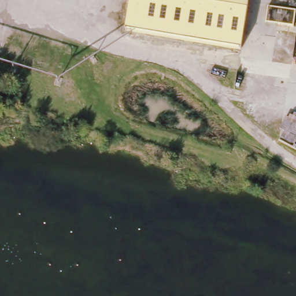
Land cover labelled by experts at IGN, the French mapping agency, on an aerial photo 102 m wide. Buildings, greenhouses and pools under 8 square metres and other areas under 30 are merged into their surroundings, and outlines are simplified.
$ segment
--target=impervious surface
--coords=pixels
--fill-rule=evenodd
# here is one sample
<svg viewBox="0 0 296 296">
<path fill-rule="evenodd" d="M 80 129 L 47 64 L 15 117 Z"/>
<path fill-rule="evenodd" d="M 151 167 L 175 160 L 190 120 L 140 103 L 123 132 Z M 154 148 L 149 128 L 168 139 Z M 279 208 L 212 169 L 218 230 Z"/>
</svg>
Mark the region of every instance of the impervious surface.
<svg viewBox="0 0 296 296">
<path fill-rule="evenodd" d="M 205 94 L 216 99 L 221 108 L 245 132 L 268 148 L 271 153 L 280 156 L 284 163 L 296 169 L 296 156 L 277 145 L 276 141 L 262 129 L 254 126 L 236 109 L 236 105 L 243 102 L 247 113 L 253 114 L 256 120 L 272 123 L 282 141 L 296 147 L 296 0 L 249 0 L 242 42 L 238 49 L 232 49 L 128 31 L 124 24 L 128 0 L 0 0 L 0 55 L 2 46 L 5 46 L 8 37 L 13 34 L 13 29 L 10 28 L 17 25 L 38 34 L 71 40 L 102 52 L 121 55 L 128 59 L 156 62 L 158 65 L 177 69 L 197 84 Z"/>
</svg>

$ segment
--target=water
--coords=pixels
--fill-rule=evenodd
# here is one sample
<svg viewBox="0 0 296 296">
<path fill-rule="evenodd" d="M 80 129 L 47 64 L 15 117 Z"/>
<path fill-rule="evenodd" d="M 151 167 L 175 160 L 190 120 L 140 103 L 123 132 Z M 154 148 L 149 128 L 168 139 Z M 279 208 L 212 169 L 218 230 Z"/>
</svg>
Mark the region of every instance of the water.
<svg viewBox="0 0 296 296">
<path fill-rule="evenodd" d="M 154 164 L 147 165 L 139 156 L 126 154 L 120 150 L 112 153 L 108 151 L 99 151 L 91 143 L 86 143 L 82 147 L 69 145 L 55 151 L 40 151 L 30 148 L 27 142 L 20 138 L 14 141 L 10 146 L 0 145 L 0 296 L 296 296 L 296 212 L 254 197 L 245 191 L 232 194 L 222 192 L 219 188 L 210 190 L 208 186 L 193 185 L 178 188 L 173 183 L 169 170 Z"/>
<path fill-rule="evenodd" d="M 154 121 L 161 112 L 168 111 L 171 116 L 177 116 L 179 128 L 193 131 L 200 126 L 200 121 L 184 118 L 166 102 L 165 98 L 147 97 L 145 103 L 149 109 L 150 121 Z"/>
</svg>

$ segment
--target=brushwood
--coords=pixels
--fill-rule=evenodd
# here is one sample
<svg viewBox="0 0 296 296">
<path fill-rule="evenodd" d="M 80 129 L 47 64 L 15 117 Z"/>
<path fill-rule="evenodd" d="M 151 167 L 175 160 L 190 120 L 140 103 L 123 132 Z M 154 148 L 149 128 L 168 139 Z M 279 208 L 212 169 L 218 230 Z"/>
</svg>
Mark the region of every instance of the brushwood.
<svg viewBox="0 0 296 296">
<path fill-rule="evenodd" d="M 21 89 L 14 94 L 0 91 L 0 103 L 7 109 L 12 109 L 16 102 L 21 101 Z"/>
<path fill-rule="evenodd" d="M 219 188 L 222 192 L 232 194 L 245 191 L 254 197 L 296 212 L 296 177 L 264 158 L 253 160 L 246 157 L 243 166 L 224 169 L 215 164 L 206 165 L 193 153 L 184 153 L 182 150 L 177 155 L 171 150 L 136 140 L 133 136 L 114 134 L 113 143 L 108 151 L 112 153 L 120 150 L 126 154 L 139 156 L 147 165 L 154 164 L 169 170 L 173 183 L 178 188 L 193 185 L 208 186 L 210 190 Z"/>
<path fill-rule="evenodd" d="M 40 151 L 55 151 L 69 145 L 61 138 L 60 131 L 62 127 L 71 125 L 72 121 L 65 117 L 57 118 L 50 112 L 44 116 L 45 124 L 39 124 L 29 129 L 29 132 L 25 131 L 23 126 L 15 128 L 15 133 L 10 134 L 14 141 L 20 138 L 27 142 L 30 148 Z"/>
<path fill-rule="evenodd" d="M 118 108 L 133 114 L 133 123 L 176 134 L 177 140 L 183 143 L 187 136 L 194 135 L 199 143 L 208 147 L 222 150 L 234 148 L 234 133 L 225 134 L 213 121 L 206 118 L 205 114 L 197 111 L 200 108 L 199 97 L 195 97 L 192 92 L 168 77 L 162 79 L 155 73 L 136 76 L 135 73 L 131 73 L 120 82 L 125 91 L 123 102 L 118 102 Z M 193 131 L 179 128 L 177 116 L 171 116 L 168 111 L 161 112 L 154 121 L 150 121 L 149 109 L 145 103 L 147 97 L 165 98 L 166 102 L 184 118 L 200 121 L 200 126 Z"/>
</svg>

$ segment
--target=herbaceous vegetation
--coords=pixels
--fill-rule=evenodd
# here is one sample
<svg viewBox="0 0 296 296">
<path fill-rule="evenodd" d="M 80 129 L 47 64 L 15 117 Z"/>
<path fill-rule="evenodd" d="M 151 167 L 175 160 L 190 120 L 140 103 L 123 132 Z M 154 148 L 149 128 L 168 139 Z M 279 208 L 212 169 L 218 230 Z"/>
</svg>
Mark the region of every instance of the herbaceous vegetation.
<svg viewBox="0 0 296 296">
<path fill-rule="evenodd" d="M 246 157 L 253 160 L 264 158 L 296 177 L 296 169 L 284 163 L 280 156 L 271 153 L 268 148 L 245 132 L 221 108 L 216 99 L 205 94 L 197 84 L 177 69 L 158 65 L 156 62 L 128 59 L 121 55 L 102 52 L 71 40 L 38 34 L 17 25 L 10 28 L 13 29 L 13 34 L 8 37 L 5 46 L 2 46 L 0 55 L 0 73 L 15 75 L 20 81 L 21 89 L 21 101 L 30 110 L 44 116 L 50 112 L 57 118 L 65 117 L 72 121 L 81 119 L 88 125 L 104 127 L 104 132 L 108 129 L 114 134 L 133 136 L 136 140 L 171 150 L 177 155 L 182 150 L 184 153 L 193 153 L 206 165 L 215 164 L 224 169 L 243 166 Z M 183 143 L 177 140 L 176 134 L 133 123 L 133 114 L 118 108 L 118 102 L 123 102 L 125 91 L 120 82 L 131 73 L 135 73 L 136 76 L 155 73 L 162 79 L 168 77 L 192 92 L 195 97 L 199 97 L 200 108 L 197 111 L 205 114 L 206 118 L 213 121 L 225 134 L 234 133 L 234 148 L 222 150 L 208 147 L 199 143 L 194 135 L 187 136 Z"/>
<path fill-rule="evenodd" d="M 256 120 L 253 114 L 247 113 L 243 102 L 236 105 L 236 109 L 254 126 L 262 129 L 276 141 L 277 145 L 296 156 L 296 147 L 282 141 L 272 123 Z"/>
</svg>

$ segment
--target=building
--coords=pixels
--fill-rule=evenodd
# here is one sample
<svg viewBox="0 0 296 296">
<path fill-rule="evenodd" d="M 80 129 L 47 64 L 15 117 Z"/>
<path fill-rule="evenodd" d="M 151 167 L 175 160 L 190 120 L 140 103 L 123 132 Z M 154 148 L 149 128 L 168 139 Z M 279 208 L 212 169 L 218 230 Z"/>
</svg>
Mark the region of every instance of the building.
<svg viewBox="0 0 296 296">
<path fill-rule="evenodd" d="M 242 42 L 249 0 L 128 0 L 124 24 L 128 31 L 232 49 L 238 49 Z"/>
</svg>

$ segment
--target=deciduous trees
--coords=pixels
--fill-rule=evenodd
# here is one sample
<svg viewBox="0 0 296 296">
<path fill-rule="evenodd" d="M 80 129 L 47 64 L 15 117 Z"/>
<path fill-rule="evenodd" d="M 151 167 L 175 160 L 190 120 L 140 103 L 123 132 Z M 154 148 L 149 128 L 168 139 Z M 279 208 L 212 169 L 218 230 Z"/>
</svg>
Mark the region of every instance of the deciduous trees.
<svg viewBox="0 0 296 296">
<path fill-rule="evenodd" d="M 15 75 L 0 73 L 0 91 L 14 94 L 21 89 L 20 81 Z"/>
<path fill-rule="evenodd" d="M 82 147 L 86 143 L 91 143 L 99 151 L 108 151 L 113 143 L 114 134 L 108 129 L 104 132 L 104 127 L 88 125 L 81 119 L 72 121 L 71 125 L 62 127 L 60 131 L 61 138 L 69 145 Z"/>
<path fill-rule="evenodd" d="M 25 131 L 29 132 L 29 129 L 39 124 L 45 124 L 44 116 L 30 110 L 21 101 L 16 102 L 12 109 L 7 109 L 0 103 L 0 145 L 10 146 L 14 141 L 10 134 L 15 133 L 15 128 L 23 126 Z"/>
</svg>

